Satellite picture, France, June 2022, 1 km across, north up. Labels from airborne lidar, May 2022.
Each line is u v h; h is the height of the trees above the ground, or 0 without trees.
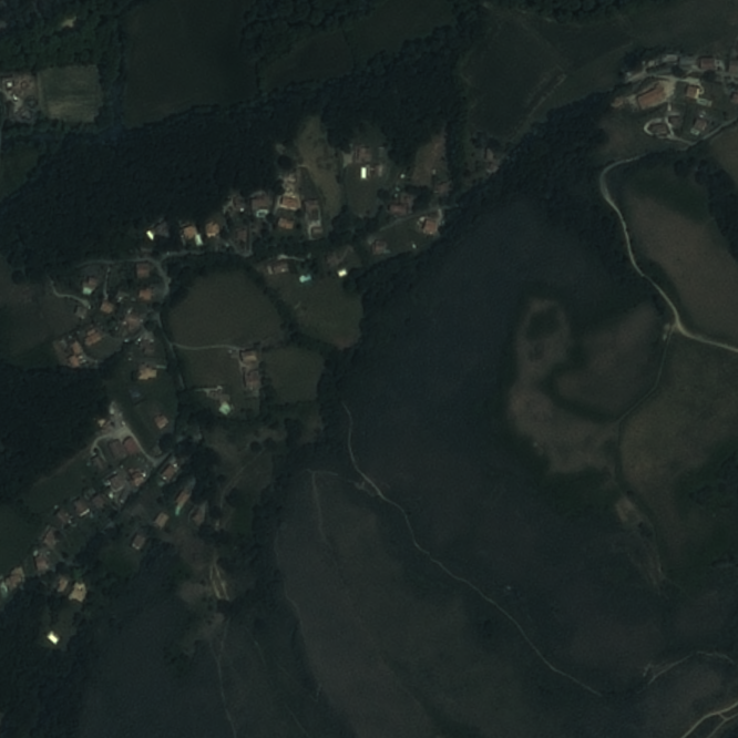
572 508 0
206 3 0
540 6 27
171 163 21
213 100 0
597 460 0
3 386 22
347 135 19
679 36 0
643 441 0
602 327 0
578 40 0
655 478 0
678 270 0
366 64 8
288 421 11
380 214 8
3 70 7
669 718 0
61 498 0
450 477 0
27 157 0
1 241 24
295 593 0
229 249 9
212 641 0
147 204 23
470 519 0
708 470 0
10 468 19
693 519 0
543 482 0
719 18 0
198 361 0
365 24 0
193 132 23
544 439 0
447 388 0
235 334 0
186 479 8
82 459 0
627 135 0
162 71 0
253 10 7
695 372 0
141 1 12
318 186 0
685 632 0
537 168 11
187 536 0
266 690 0
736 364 0
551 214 12
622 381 0
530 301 0
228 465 0
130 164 27
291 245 6
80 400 22
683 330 0
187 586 0
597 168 8
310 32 9
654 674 0
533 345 0
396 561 0
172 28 0
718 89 0
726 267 0
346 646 0
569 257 0
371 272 17
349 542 0
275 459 9
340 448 10
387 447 0
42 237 25
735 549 0
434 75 23
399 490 0
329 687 0
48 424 23
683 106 0
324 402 8
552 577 0
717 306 0
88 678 7
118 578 8
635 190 0
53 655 11
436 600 0
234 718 0
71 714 18
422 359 0
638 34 0
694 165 11
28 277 10
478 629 7
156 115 0
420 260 12
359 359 17
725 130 7
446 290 0
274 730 0
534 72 0
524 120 0
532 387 0
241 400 0
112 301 13
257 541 19
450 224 13
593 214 13
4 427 21
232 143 23
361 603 0
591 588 0
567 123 20
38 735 17
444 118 20
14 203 22
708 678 0
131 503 12
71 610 0
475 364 0
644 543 0
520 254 0
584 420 0
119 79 9
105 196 21
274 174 20
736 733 7
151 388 0
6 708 18
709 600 0
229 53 0
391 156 15
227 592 0
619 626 0
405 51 12
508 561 0
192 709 0
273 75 0
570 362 0
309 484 0
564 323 0
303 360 0
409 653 0
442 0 0
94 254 7
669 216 0
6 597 0
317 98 19
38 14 17
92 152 25
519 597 7
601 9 23
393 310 0
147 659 0
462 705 0
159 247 13
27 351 0
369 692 0
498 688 0
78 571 11
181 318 0
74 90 0
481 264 0
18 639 14
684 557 0
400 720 0
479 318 0
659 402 0
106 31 26
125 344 9
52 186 26
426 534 0
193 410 13
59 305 0
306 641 0
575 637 0
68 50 26
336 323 0
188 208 24
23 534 0
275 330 0
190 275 10
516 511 0
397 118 23
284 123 23
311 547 0
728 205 24
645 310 0
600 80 0
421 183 0
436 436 0
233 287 0
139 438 0
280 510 12
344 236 9
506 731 0
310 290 0
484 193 20
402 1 0
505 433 0
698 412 0
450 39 21
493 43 0
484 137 7
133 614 6
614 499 0
